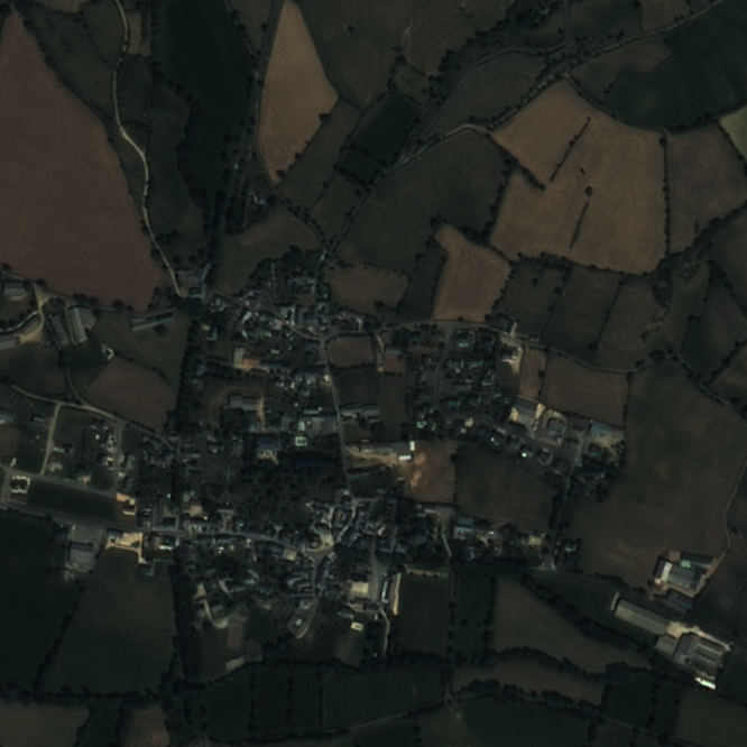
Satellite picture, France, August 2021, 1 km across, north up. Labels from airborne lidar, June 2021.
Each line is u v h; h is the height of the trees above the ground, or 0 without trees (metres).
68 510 0
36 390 0
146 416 0
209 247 8
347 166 0
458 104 0
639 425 0
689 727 0
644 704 0
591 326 0
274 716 0
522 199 0
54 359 0
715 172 0
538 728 0
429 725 0
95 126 0
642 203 0
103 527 0
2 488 0
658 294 9
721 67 0
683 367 8
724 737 0
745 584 0
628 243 0
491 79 0
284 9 0
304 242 0
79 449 0
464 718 0
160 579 0
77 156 0
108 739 0
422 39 0
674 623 0
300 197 0
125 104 0
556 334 0
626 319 0
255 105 0
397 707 0
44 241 0
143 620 0
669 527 0
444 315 0
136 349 0
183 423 13
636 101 0
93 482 0
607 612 0
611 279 0
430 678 0
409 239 0
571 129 0
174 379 0
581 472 13
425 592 0
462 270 0
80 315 0
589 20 0
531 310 0
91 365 0
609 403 0
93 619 0
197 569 8
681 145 0
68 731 0
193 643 23
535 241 0
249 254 0
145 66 0
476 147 0
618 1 0
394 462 0
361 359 0
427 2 0
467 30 0
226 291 0
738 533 9
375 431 12
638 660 0
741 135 0
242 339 12
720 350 0
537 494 0
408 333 11
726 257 0
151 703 8
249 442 11
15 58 0
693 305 0
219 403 0
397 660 17
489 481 0
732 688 0
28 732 0
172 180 0
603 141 0
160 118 0
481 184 0
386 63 0
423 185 0
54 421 0
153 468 11
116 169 0
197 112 15
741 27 0
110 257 0
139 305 0
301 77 0
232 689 0
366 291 0
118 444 0
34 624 0
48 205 0
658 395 0
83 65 0
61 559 0
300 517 0
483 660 7
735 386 0
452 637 12
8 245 0
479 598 0
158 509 0
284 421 0
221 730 0
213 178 0
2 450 0
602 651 0
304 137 0
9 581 0
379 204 0
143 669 0
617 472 12
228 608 6
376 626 15
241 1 0
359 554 13
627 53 0
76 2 0
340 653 0
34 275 0
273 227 0
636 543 0
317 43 0
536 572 0
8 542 0
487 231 8
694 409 0
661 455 0
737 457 0
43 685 14
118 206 0
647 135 0
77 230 0
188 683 8
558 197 0
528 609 0
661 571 0
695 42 0
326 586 0
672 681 18
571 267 5
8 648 0
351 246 0
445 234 0
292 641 17
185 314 13
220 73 0
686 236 0
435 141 7
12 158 0
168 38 0
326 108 0
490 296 0
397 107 0
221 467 0
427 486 0
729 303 0
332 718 0
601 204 0
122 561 0
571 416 8
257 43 0
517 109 7
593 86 0
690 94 0
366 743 0
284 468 14
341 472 13
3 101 0
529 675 0
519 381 0
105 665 0
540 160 0
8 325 8
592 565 0
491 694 15
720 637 0
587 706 16
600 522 0
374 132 0
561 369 0
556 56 0
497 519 0
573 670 25
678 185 0
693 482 0
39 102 0
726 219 7
